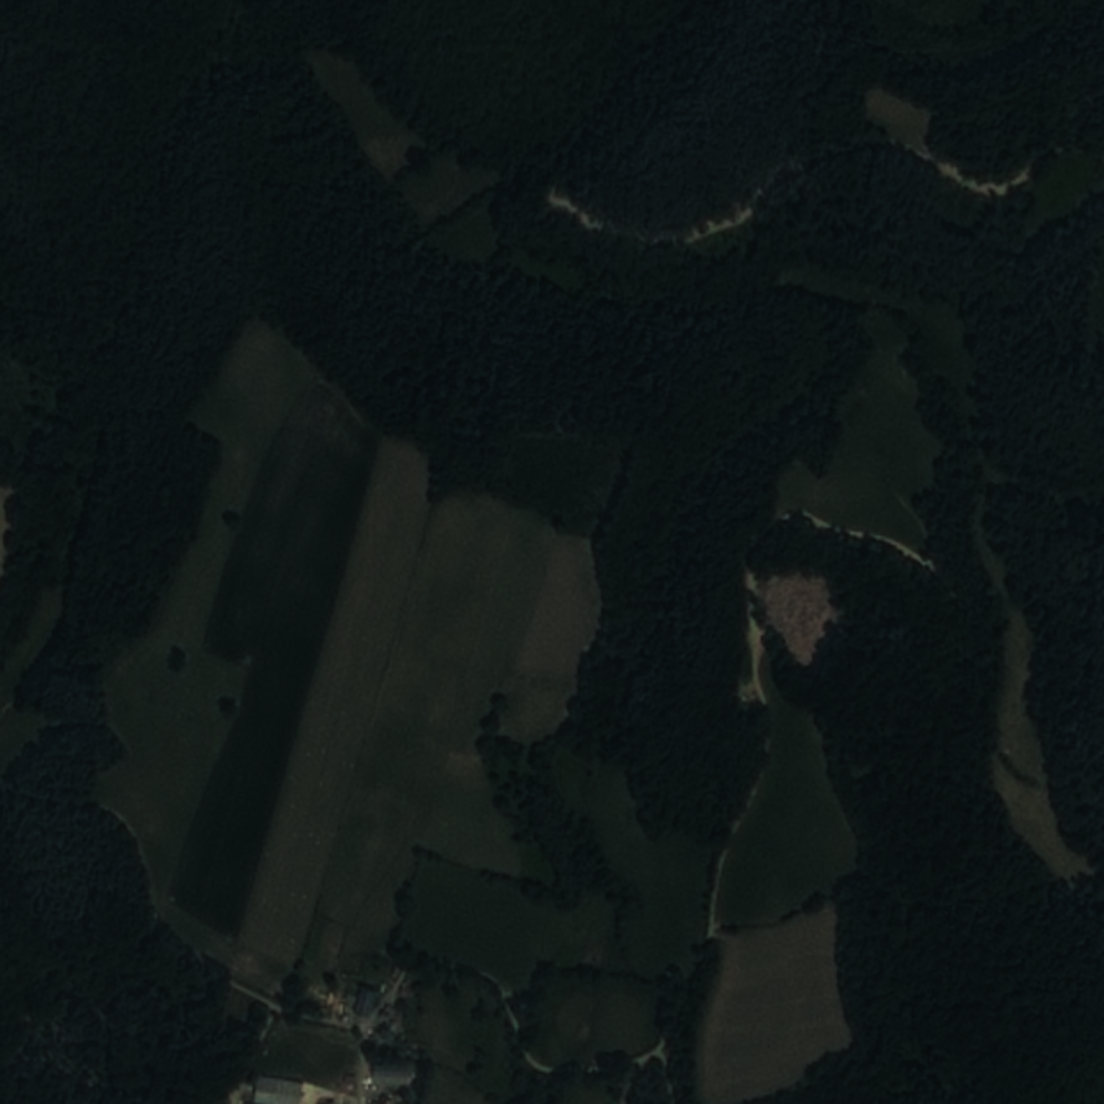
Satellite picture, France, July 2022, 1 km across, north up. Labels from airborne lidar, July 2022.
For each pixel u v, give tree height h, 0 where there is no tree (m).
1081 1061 19
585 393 23
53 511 29
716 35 18
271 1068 0
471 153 19
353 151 19
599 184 16
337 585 0
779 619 0
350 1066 0
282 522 0
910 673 25
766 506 19
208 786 0
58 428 24
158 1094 27
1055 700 20
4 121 14
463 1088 0
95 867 17
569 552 0
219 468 8
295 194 20
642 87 18
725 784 18
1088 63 17
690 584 16
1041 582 20
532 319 21
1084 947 26
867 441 0
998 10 15
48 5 16
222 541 0
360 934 0
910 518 0
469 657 0
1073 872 0
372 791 0
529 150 20
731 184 16
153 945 26
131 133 22
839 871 0
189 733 0
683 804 19
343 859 0
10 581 14
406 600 0
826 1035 0
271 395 0
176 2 20
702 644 18
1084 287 27
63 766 19
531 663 0
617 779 0
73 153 17
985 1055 32
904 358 7
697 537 21
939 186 21
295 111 19
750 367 23
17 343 12
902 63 19
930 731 20
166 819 0
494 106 18
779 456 18
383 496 0
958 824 28
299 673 0
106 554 19
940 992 27
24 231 14
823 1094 6
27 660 0
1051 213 0
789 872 0
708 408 23
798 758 0
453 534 0
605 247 20
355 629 0
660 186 15
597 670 19
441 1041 0
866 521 0
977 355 18
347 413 0
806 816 0
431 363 25
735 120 22
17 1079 23
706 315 21
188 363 15
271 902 0
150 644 0
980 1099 19
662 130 26
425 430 23
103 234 17
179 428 16
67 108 13
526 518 0
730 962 0
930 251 20
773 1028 0
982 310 21
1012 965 24
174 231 12
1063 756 20
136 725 0
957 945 22
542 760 14
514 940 0
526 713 0
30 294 24
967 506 20
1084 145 10
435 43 12
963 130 12
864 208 21
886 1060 21
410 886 11
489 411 24
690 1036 12
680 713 17
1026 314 25
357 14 20
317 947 0
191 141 14
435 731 0
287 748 0
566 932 0
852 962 21
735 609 15
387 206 21
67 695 31
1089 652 21
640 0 22
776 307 21
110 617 16
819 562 24
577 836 18
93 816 23
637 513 23
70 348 20
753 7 23
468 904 0
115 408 16
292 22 18
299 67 19
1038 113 8
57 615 0
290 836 0
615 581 18
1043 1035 23
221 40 15
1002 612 20
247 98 21
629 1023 0
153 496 19
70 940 23
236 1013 0
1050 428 18
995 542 12
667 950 0
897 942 25
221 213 15
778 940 0
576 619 0
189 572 0
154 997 20
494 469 22
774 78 16
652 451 21
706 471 13
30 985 21
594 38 20
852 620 21
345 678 0
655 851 0
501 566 0
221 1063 23
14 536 10
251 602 0
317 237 19
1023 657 0
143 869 17
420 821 0
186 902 0
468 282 16
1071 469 20
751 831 0
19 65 16
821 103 19
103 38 20
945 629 22
